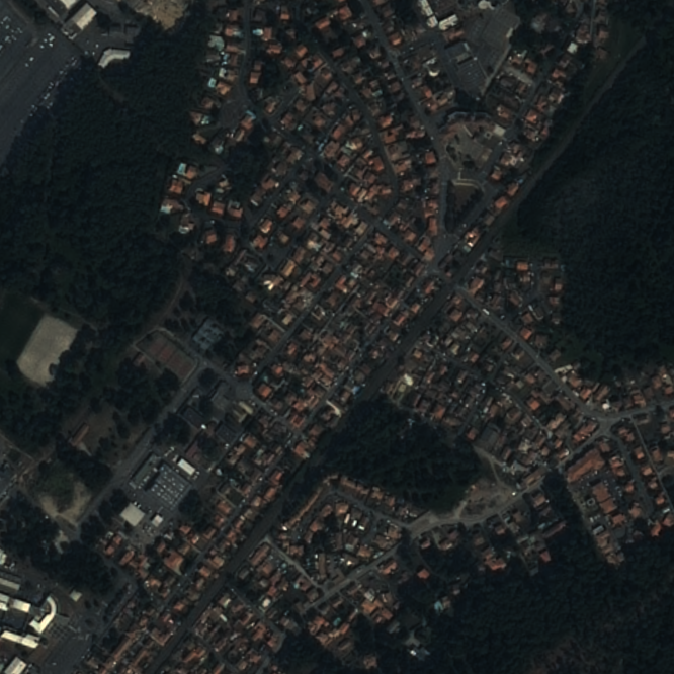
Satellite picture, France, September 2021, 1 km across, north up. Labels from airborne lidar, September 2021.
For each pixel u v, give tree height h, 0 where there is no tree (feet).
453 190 31
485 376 20
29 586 20
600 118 34
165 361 0
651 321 36
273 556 0
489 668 54
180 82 76
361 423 75
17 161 75
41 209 73
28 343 0
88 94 75
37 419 0
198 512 55
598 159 45
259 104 68
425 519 0
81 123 80
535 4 35
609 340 34
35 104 0
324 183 0
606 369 29
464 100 41
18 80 0
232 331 72
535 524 19
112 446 25
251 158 74
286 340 0
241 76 0
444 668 34
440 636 45
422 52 0
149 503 0
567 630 87
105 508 33
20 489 0
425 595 71
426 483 52
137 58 65
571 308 42
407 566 58
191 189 0
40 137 80
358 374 0
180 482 0
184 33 75
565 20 59
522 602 85
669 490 40
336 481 23
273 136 0
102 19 33
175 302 0
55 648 0
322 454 0
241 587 38
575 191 34
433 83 33
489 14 0
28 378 0
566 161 32
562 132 36
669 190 42
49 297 70
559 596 99
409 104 33
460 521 0
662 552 81
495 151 0
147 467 0
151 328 0
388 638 42
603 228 53
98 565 43
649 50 34
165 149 68
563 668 46
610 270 62
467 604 64
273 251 0
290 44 65
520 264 0
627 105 34
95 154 90
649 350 35
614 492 0
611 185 58
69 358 46
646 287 30
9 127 0
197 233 28
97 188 78
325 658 43
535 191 29
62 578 52
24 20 0
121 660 0
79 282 64
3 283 76
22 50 0
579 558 93
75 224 81
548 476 0
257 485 0
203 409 38
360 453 68
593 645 72
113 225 82
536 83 0
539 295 0
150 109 79
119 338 64
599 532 0
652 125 31
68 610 0
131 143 78
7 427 26
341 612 20
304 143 31
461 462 71
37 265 93
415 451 58
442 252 0
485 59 0
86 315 58
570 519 37
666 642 91
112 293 78
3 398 0
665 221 37
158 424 0
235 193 71
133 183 80
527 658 76
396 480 55
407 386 0
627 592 45
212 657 22
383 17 25
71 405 48
